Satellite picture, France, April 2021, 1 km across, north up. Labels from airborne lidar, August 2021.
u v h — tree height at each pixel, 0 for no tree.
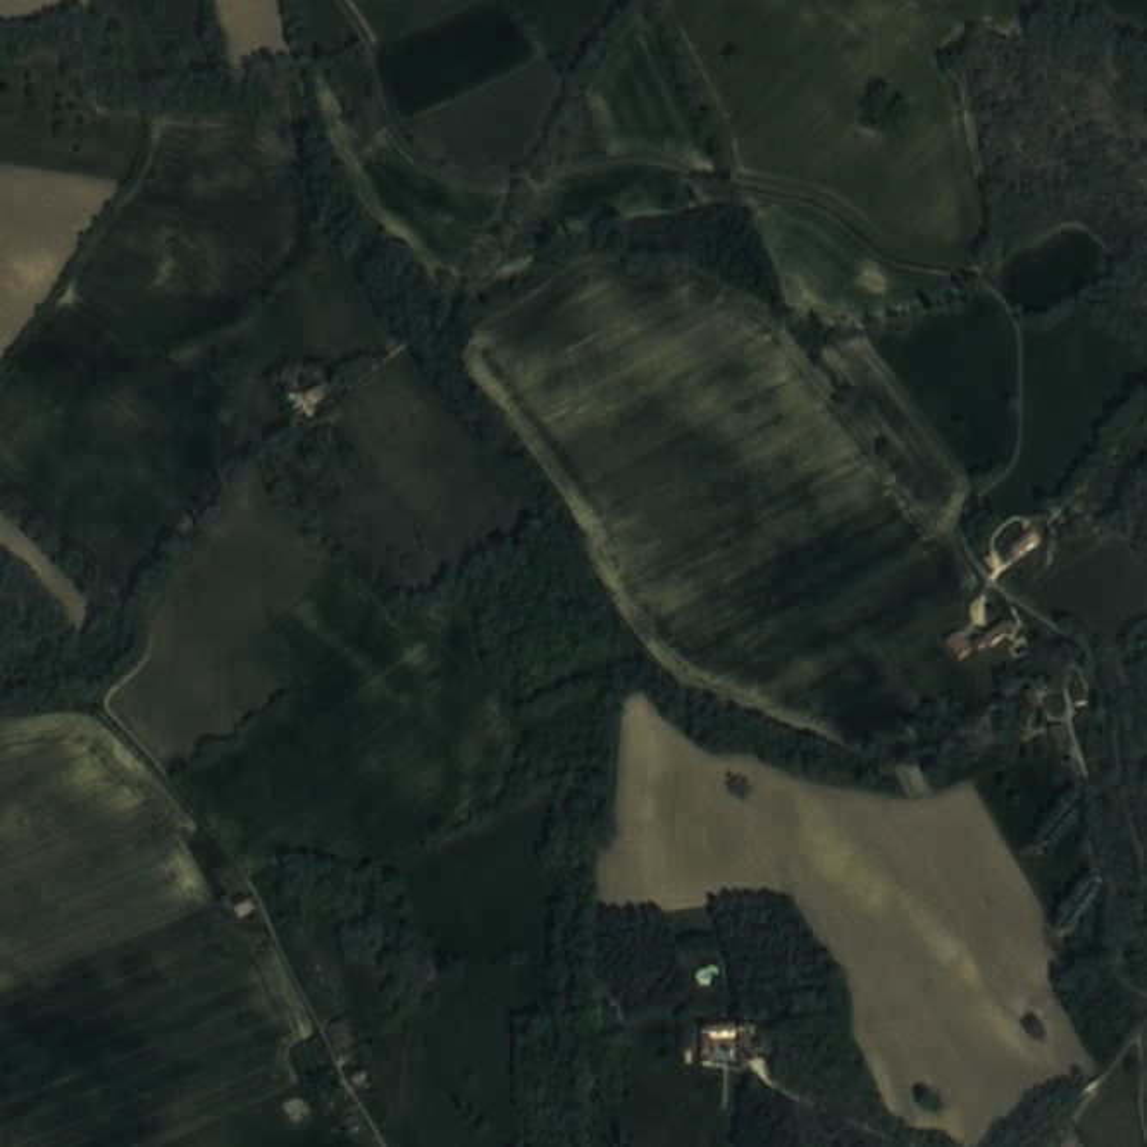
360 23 0
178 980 0
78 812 0
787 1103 12
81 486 0
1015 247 20
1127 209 13
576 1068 23
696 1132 0
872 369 0
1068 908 9
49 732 0
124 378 0
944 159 0
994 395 0
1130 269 19
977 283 15
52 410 0
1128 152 6
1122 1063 0
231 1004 0
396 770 0
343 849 0
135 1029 0
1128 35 18
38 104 14
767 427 0
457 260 0
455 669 0
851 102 0
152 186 0
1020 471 0
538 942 0
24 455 0
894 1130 20
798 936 18
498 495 0
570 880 17
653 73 0
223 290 0
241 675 0
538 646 25
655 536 0
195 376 0
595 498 0
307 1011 0
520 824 0
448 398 16
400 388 0
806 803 0
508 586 25
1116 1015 14
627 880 0
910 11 0
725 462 0
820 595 0
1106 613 0
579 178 0
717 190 19
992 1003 0
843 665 0
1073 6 18
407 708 0
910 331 9
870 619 0
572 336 0
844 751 9
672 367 0
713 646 0
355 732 0
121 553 0
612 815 22
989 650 0
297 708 0
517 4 8
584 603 18
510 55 0
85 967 0
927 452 0
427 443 0
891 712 0
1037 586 0
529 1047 22
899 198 0
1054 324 15
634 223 10
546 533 20
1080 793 7
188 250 0
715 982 7
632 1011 15
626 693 10
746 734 23
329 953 0
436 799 0
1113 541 0
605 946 18
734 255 9
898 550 0
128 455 0
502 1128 0
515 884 0
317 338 0
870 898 0
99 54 20
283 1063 0
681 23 0
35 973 0
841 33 0
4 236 0
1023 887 0
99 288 0
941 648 0
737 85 0
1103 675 16
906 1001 0
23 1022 0
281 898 12
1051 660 21
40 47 18
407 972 24
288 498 22
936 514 0
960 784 0
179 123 0
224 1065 0
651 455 0
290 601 0
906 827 0
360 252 6
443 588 18
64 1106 0
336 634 0
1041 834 10
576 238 25
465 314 21
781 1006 12
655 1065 0
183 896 0
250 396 0
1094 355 0
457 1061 0
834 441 0
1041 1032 14
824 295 0
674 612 0
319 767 0
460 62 0
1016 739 9
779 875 0
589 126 16
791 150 0
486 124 0
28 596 20
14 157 0
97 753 0
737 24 0
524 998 0
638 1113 0
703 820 0
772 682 0
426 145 0
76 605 0
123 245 0
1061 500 5
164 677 0
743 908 15
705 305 0
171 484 0
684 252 16
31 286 0
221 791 0
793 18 0
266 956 0
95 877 0
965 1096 0
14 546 0
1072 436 0
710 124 13
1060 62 13
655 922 14
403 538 0
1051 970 0
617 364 0
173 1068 0
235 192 0
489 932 0
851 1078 23
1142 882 18
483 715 0
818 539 0
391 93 0
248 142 0
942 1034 0
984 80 13
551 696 16
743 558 0
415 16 0
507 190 0
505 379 0
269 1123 0
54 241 0
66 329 0
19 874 0
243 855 0
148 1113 0
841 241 0
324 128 13
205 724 0
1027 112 13
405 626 0
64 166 0
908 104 14
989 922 0
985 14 0
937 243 0
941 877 0
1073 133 7
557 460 0
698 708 17
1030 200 16
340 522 0
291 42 17
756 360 0
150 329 0
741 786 16
